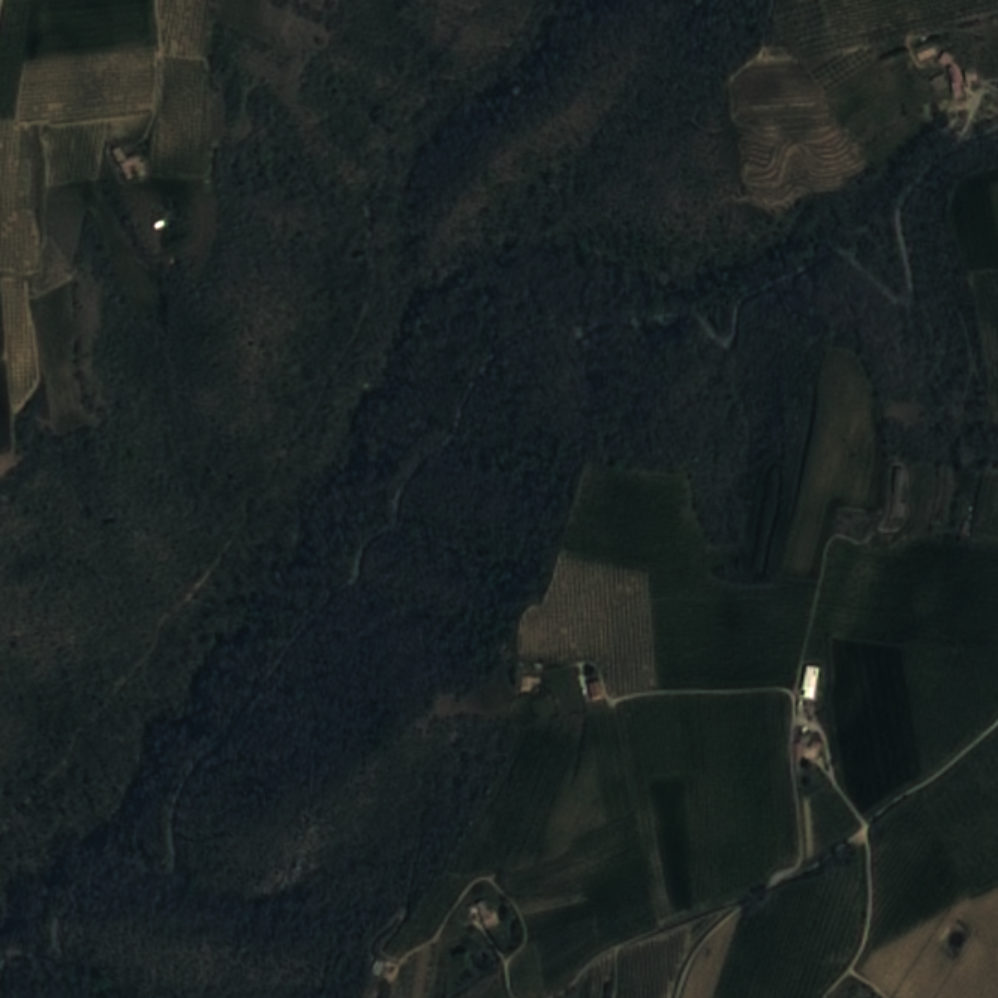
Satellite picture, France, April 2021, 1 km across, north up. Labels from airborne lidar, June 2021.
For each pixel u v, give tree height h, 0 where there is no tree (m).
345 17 11
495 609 6
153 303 0
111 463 8
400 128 9
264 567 29
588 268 18
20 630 6
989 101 6
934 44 10
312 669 7
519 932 7
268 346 11
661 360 15
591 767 0
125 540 11
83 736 20
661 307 9
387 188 19
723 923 0
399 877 5
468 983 12
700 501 11
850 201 26
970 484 0
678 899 0
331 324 6
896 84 0
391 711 9
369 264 16
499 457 15
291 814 9
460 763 13
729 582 13
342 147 8
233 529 13
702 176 9
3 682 11
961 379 8
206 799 8
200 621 19
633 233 10
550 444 10
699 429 18
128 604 6
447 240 15
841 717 0
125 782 26
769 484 0
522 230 24
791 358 6
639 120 14
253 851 6
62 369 0
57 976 17
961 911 0
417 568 9
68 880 11
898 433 11
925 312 15
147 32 0
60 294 0
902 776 0
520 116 16
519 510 7
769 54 0
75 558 9
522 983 0
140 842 20
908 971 0
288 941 9
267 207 13
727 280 9
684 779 0
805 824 0
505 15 10
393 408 22
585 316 11
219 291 11
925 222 10
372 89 8
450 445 10
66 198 0
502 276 13
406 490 9
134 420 10
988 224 0
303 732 10
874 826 7
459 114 25
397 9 7
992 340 0
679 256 14
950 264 13
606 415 19
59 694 12
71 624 9
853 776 0
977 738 0
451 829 10
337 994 8
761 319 12
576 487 8
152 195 0
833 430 0
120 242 0
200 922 11
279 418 15
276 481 12
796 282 18
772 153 0
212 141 0
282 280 14
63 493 7
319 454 21
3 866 16
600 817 0
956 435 19
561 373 16
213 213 0
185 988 7
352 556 15
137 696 15
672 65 13
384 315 8
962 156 15
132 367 15
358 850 12
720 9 17
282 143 10
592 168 13
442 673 10
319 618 14
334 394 18
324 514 27
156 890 10
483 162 7
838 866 12
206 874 13
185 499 6
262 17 0
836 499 0
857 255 18
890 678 0
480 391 10
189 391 13
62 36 0
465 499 5
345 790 5
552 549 9
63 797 19
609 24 22
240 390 8
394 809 14
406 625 10
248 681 21
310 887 12
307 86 8
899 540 0
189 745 21
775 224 16
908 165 21
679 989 0
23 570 6
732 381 18
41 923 12
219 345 11
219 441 13
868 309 12
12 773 13
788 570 0
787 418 9
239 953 5
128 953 10
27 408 8
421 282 8
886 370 9
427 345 9
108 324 7
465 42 11
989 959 0
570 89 11
